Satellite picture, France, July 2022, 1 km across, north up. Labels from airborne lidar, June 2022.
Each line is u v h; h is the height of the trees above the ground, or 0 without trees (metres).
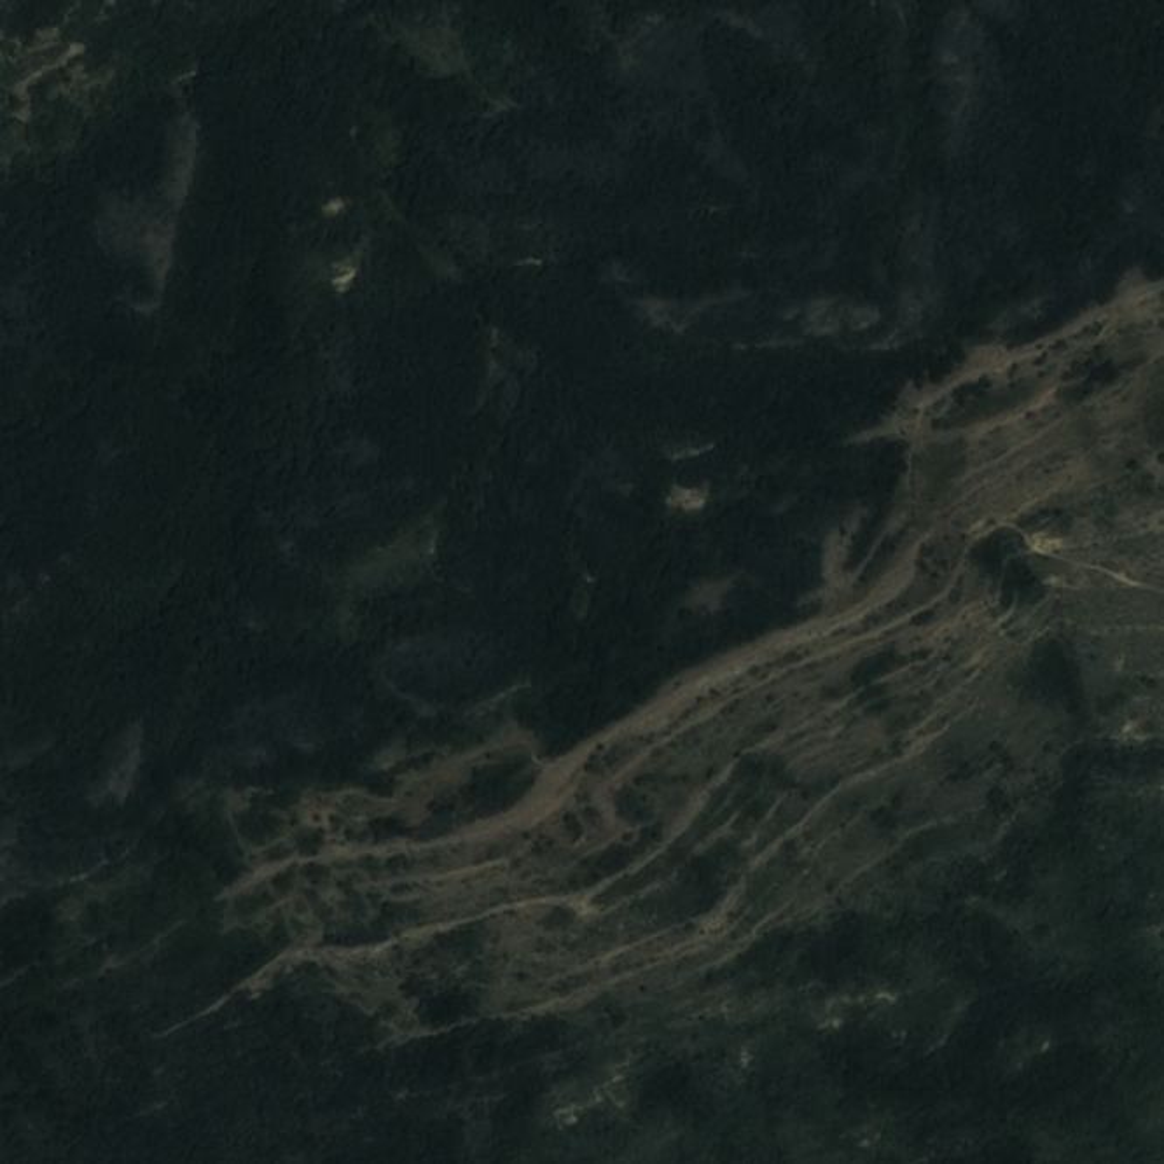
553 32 14
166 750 8
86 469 8
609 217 7
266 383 16
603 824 0
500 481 11
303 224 7
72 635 10
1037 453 0
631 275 7
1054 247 7
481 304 8
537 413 11
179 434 17
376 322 12
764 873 0
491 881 0
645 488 8
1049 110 8
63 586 8
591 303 11
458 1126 7
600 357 11
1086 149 9
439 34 0
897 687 0
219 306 19
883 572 0
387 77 9
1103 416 0
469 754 0
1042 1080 6
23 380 7
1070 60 7
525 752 0
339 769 6
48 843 8
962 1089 10
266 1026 8
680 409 11
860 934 9
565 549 14
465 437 10
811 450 8
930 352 5
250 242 13
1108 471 0
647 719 0
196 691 7
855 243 9
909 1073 7
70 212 12
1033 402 0
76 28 7
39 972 9
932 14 11
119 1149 9
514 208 10
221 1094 9
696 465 7
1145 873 8
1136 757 7
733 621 6
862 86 10
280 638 8
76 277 12
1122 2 9
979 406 0
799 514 6
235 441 15
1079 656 0
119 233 0
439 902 0
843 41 13
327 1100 10
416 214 12
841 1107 7
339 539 8
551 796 0
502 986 0
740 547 7
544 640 7
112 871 6
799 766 0
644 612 13
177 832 7
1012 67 9
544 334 12
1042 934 8
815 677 0
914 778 0
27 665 14
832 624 0
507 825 0
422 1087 7
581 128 10
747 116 14
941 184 7
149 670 12
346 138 11
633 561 15
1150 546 0
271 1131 7
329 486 6
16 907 7
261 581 11
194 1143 13
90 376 8
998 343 0
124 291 7
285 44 12
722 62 14
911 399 0
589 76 13
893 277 8
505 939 0
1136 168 8
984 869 7
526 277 11
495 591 10
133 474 16
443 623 6
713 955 0
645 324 7
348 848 0
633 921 0
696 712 0
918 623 6
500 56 9
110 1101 8
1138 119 10
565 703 11
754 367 10
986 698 0
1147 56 13
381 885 0
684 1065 7
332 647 6
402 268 8
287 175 9
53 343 11
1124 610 0
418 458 8
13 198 12
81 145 10
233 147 15
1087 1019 8
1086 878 6
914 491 0
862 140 8
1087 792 8
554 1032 7
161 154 14
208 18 8
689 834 0
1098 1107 10
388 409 12
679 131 7
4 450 11
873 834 0
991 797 9
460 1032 8
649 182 9
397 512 7
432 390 9
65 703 11
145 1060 6
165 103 9
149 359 7
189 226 14
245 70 14
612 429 10
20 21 8
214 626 13
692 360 8
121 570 10
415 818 0
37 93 8
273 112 13
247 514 13
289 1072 9
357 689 10
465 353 13
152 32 15
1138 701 0
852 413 6
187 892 0
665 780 0
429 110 12
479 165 8
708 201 7
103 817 6
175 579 6
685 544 8
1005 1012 6
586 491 6
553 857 0
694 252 8
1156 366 0
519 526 9
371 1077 9
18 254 11
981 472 0
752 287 6
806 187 12
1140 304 0
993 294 5
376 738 8
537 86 7
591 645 10
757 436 8
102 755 8
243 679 11
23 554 8
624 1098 0
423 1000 7
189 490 10
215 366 13
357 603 6
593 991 0
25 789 6
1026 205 9
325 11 7
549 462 8
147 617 12
